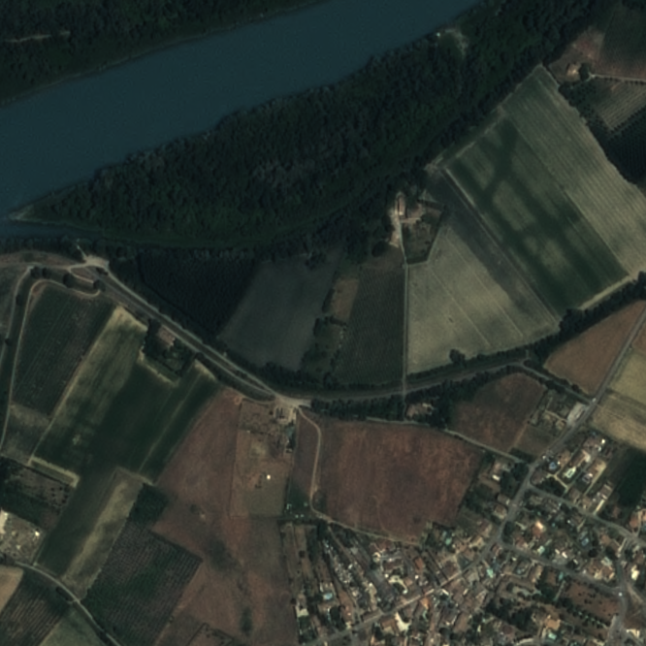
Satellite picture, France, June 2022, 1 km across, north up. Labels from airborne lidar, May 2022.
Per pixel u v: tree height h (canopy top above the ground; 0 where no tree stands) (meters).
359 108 8
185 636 0
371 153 28
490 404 0
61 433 0
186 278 30
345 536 6
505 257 0
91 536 0
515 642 6
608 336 0
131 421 0
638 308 0
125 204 14
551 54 8
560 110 0
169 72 0
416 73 25
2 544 0
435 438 0
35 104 0
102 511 0
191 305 28
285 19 0
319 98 13
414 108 17
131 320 0
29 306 0
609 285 0
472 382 9
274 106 23
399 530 0
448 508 0
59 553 0
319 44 0
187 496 0
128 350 0
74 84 0
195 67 0
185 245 0
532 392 0
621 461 0
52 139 0
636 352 0
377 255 14
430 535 6
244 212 27
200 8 34
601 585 0
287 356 0
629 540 0
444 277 0
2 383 0
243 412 0
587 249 0
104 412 0
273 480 0
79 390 0
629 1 20
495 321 0
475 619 7
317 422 0
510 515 0
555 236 0
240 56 0
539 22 22
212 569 0
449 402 16
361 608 8
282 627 0
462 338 0
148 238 0
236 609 0
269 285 0
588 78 10
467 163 0
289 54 0
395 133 12
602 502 0
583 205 0
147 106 0
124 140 0
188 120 0
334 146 28
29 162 0
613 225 0
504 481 9
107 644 15
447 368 9
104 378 0
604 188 0
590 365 0
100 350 0
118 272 11
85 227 0
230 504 0
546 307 0
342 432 0
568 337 13
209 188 15
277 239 9
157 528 0
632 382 0
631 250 0
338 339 0
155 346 12
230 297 29
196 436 0
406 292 0
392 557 0
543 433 0
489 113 20
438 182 0
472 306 0
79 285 0
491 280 0
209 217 16
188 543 0
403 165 11
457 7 0
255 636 0
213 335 27
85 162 0
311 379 6
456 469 0
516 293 0
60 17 23
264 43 0
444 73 30
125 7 16
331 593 0
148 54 0
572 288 0
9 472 9
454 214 0
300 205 14
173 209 15
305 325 0
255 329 0
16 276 0
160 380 0
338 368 13
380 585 0
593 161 0
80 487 0
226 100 0
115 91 0
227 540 0
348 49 0
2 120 0
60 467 0
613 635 0
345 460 0
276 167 15
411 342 0
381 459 0
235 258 26
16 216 0
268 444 0
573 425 0
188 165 18
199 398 0
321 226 6
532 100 0
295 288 0
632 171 25
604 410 0
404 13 0
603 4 34
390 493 0
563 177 0
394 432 0
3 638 0
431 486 0
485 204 0
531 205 0
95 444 0
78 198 15
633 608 0
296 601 9
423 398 25
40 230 0
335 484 0
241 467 0
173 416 0
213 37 0
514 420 0
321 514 0
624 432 0
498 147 0
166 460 0
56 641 0
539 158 0
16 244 19
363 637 0
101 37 27
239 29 0
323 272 0
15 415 0
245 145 6
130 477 0
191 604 0
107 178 34
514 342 0
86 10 17
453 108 8
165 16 24
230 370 0
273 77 0
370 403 11
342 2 0
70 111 0
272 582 0
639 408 0
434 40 26
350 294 0
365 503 0
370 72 13
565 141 0
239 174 12
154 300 12
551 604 11
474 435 0
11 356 0
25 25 15
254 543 0
